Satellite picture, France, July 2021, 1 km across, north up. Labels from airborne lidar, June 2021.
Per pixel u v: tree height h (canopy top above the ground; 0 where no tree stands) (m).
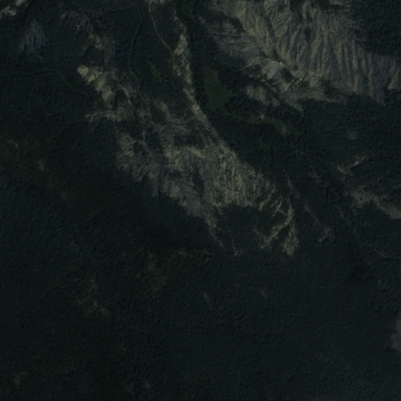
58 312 12
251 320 10
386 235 8
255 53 0
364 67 0
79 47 10
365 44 7
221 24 7
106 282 12
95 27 7
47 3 13
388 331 16
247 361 9
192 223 9
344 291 13
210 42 9
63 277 8
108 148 10
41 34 0
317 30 0
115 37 6
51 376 9
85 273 13
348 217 9
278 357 14
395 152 8
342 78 0
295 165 7
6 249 10
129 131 14
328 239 9
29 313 10
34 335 8
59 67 11
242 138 14
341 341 12
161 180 0
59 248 11
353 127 9
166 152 0
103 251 7
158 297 9
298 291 8
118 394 20
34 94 12
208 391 10
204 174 0
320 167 16
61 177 8
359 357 14
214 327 10
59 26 13
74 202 8
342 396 7
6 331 11
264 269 8
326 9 7
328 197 13
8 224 9
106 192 7
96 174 11
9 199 10
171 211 12
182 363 11
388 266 10
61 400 14
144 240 11
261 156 13
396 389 9
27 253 11
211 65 6
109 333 11
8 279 12
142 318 13
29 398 8
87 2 12
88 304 8
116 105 9
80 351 12
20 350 10
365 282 14
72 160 6
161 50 7
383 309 18
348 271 18
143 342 13
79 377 14
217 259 9
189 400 7
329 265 10
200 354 12
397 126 9
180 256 8
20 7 6
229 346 12
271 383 9
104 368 17
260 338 12
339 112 6
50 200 19
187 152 0
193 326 16
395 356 14
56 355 9
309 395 10
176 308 9
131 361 15
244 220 7
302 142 14
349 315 10
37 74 13
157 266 6
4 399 7
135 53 10
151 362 9
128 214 10
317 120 6
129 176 9
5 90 17
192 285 9
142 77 11
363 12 7
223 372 10
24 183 8
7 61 19
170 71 7
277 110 11
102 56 9
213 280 10
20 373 9
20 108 14
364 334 13
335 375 10
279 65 0
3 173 17
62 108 13
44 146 7
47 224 11
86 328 9
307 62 0
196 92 10
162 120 5
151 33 9
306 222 12
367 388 10
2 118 6
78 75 11
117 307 13
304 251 8
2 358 9
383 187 6
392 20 10
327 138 5
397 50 9
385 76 0
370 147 7
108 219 8
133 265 8
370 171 6
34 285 10
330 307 12
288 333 11
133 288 9
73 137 12
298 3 7
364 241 14
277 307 8
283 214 6
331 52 0
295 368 14
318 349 9
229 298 7
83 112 7
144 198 9
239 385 9
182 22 8
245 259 6
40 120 7
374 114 12
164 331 17
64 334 8
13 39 13
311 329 11
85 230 8
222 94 0
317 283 6
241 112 10
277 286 8
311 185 14
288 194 9
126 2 7
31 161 8
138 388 15
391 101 10
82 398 18
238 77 14
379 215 8
